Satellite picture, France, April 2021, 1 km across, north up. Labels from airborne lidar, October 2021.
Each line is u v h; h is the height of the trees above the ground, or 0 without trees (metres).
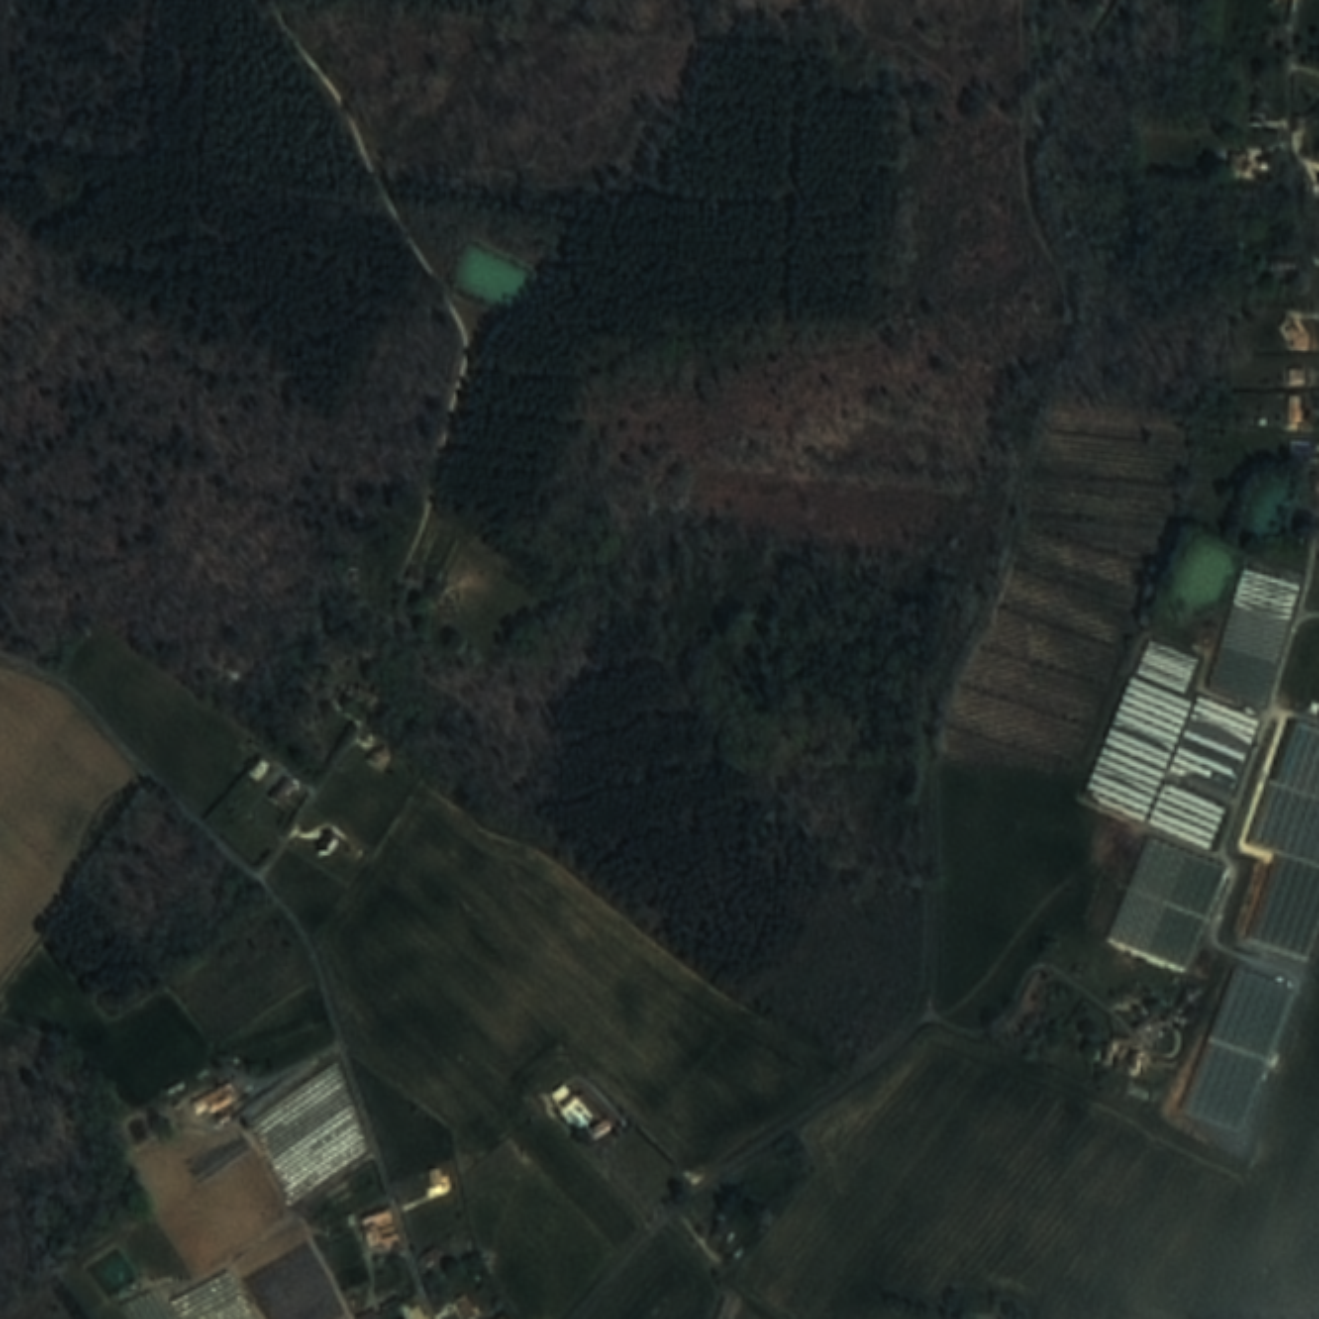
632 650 18
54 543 8
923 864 19
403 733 13
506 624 0
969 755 0
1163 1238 0
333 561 11
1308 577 0
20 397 17
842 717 21
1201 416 11
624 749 19
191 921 12
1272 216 22
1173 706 0
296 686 20
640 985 0
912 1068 0
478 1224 0
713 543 22
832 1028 9
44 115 6
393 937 0
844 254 24
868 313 23
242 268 22
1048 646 0
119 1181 27
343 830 0
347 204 20
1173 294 25
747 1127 0
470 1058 0
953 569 8
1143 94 20
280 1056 0
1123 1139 0
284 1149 0
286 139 17
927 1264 0
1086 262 23
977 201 6
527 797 15
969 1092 0
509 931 0
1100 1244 0
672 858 17
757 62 20
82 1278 0
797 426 14
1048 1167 0
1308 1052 0
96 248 21
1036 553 0
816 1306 0
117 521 5
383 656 19
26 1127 13
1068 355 16
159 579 14
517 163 19
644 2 23
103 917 18
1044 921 0
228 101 20
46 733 0
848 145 21
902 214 21
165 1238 0
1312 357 0
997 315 6
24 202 20
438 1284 9
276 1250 0
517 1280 0
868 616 24
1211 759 0
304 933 0
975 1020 0
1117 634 0
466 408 17
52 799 0
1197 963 0
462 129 20
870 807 19
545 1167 0
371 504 19
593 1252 0
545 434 19
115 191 22
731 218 21
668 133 21
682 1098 0
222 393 17
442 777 18
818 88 17
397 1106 0
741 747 25
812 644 23
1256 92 6
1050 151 22
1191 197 24
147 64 15
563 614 19
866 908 19
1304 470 15
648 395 15
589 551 24
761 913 23
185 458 14
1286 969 0
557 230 16
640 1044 0
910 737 24
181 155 20
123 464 7
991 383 7
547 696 10
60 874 0
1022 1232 0
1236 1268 0
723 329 21
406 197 18
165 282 21
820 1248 0
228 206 23
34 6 18
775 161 23
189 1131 0
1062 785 0
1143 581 9
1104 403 18
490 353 19
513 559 16
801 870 22
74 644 11
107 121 16
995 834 0
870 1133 0
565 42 17
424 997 0
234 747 0
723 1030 0
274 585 14
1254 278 14
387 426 7
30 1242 19
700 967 18
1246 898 0
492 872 0
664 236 22
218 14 21
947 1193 0
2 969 0
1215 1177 0
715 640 14
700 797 20
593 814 17
